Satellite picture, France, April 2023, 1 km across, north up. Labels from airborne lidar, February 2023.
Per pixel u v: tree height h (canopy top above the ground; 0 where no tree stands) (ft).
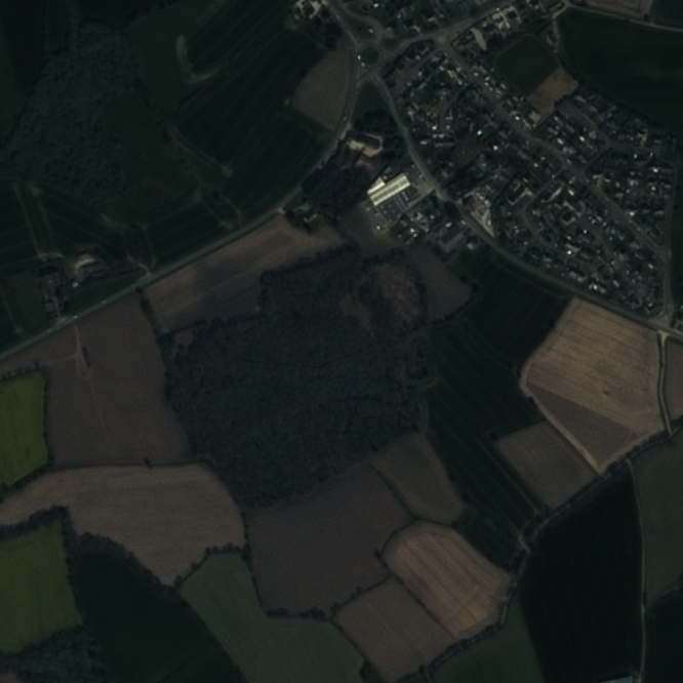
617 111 23
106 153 36
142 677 0
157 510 0
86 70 34
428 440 0
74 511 0
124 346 0
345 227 0
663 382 0
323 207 45
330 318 55
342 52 0
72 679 91
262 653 0
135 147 0
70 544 46
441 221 18
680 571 0
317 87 0
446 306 0
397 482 0
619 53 0
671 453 0
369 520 0
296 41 0
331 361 54
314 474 51
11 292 0
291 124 0
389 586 0
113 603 0
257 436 52
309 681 0
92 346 0
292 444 57
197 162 0
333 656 0
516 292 0
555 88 0
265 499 53
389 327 56
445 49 0
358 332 54
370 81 0
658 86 0
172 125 0
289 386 53
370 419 52
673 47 0
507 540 25
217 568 0
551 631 0
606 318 0
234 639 0
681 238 0
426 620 0
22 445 0
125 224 0
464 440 0
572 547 0
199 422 54
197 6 0
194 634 0
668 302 0
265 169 0
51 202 0
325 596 0
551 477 0
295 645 0
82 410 0
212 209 0
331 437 60
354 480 0
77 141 34
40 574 0
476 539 0
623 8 0
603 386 0
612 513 0
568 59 0
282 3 0
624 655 0
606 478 48
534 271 0
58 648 83
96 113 28
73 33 28
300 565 0
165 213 0
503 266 0
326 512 0
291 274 49
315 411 61
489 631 36
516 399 0
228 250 0
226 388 62
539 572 0
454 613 0
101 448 0
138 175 0
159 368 0
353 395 37
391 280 0
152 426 0
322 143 0
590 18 0
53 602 0
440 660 35
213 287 0
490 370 0
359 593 38
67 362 0
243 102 0
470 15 35
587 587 0
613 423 0
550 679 0
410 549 0
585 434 0
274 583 0
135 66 27
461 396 0
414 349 48
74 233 0
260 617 0
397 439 39
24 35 0
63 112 29
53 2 0
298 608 0
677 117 0
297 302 53
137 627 0
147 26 0
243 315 0
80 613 35
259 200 0
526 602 0
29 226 0
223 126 0
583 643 0
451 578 0
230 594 0
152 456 0
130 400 0
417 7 0
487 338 0
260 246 0
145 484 0
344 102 0
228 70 0
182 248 0
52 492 0
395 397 56
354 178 60
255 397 53
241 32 0
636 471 0
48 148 33
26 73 0
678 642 0
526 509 0
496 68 0
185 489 0
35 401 0
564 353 0
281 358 44
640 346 0
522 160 27
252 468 62
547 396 0
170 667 0
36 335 0
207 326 27
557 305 0
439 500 0
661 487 0
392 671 0
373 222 0
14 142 27
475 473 0
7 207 0
